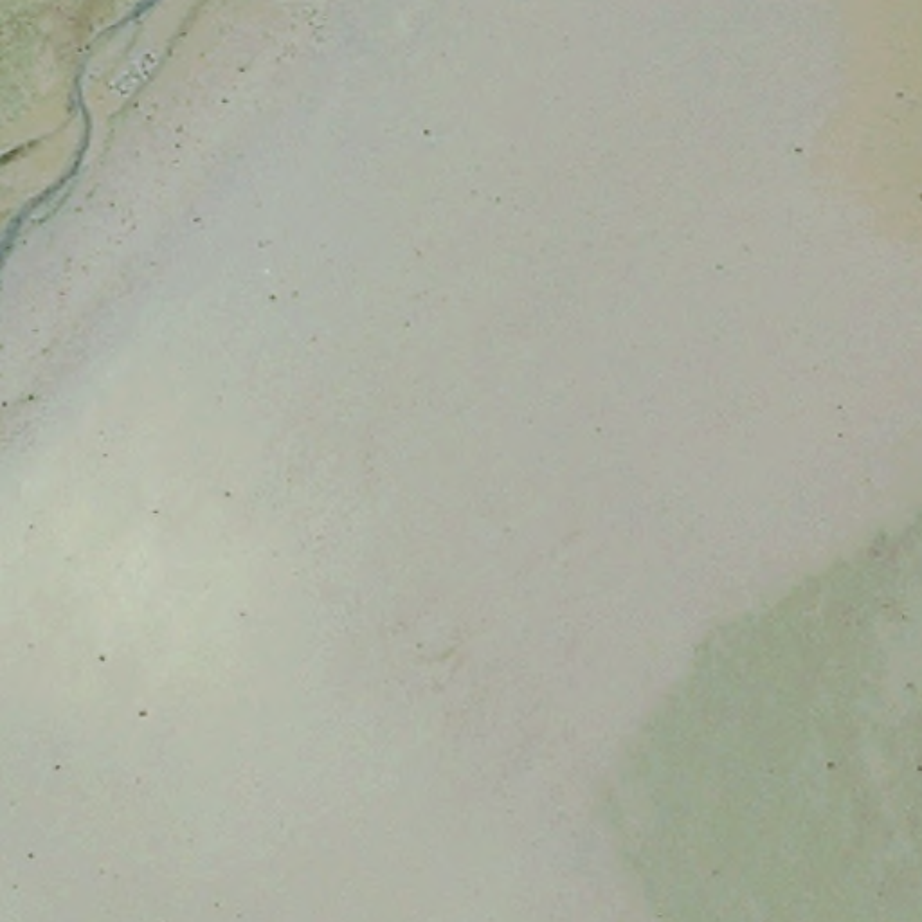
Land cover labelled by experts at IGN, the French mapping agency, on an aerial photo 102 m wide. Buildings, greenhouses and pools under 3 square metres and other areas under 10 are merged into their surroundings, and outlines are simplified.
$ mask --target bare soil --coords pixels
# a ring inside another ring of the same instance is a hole
[[[0,922],[922,922],[922,0],[0,0]]]

